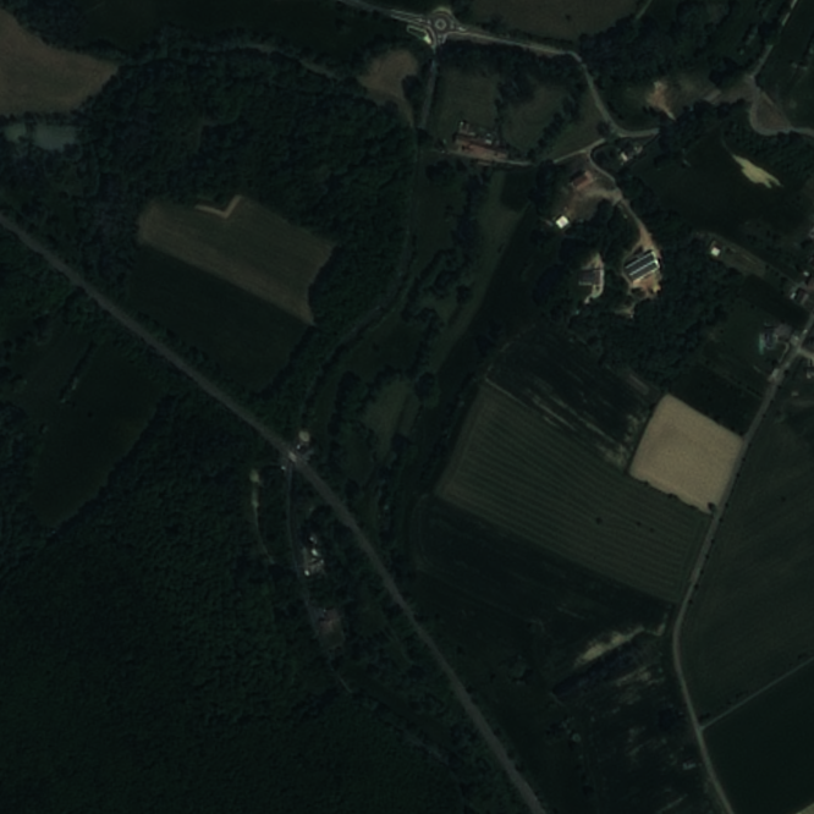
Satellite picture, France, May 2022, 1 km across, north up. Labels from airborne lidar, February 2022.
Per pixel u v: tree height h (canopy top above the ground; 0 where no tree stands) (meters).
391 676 27
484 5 0
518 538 0
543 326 0
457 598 0
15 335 0
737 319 0
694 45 20
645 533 0
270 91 20
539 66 21
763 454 0
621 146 17
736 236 0
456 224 0
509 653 0
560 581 0
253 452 23
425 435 0
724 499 0
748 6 0
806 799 0
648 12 0
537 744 0
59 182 15
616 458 0
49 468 0
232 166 20
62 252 21
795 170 6
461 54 25
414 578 11
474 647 0
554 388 0
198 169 21
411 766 18
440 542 0
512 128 0
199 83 24
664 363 20
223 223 0
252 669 29
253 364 0
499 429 0
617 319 12
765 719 0
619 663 18
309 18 0
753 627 0
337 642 0
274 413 18
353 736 20
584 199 0
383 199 23
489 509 0
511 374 0
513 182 0
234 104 22
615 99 0
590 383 0
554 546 0
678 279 11
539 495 0
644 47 28
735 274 13
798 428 0
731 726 0
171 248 0
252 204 0
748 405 0
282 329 0
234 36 18
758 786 0
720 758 0
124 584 18
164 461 15
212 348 0
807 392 0
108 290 9
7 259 18
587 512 0
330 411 0
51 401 0
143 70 10
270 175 18
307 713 15
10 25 0
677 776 0
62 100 0
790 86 0
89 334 17
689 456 0
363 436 13
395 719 8
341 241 14
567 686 17
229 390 15
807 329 0
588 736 0
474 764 10
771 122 0
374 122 26
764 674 0
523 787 0
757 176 0
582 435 0
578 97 25
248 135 22
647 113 15
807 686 0
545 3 0
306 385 18
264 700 24
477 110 0
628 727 0
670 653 0
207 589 27
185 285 0
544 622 0
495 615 0
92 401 0
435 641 9
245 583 25
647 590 0
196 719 17
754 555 0
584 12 0
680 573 0
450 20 0
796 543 0
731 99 0
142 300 0
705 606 0
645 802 0
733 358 0
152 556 20
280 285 0
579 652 0
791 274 0
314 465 10
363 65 20
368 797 20
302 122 27
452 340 0
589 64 23
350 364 0
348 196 26
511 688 0
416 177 0
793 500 0
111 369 0
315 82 11
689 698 0
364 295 18
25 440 22
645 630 0
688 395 0
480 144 0
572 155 0
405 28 0
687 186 0
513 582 0
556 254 0
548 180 18
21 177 32
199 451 16
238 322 0
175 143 19
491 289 0
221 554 26
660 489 0
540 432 0
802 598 0
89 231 15
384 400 0
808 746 0
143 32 0
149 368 17
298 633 7
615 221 8
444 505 0
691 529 0
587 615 0
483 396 0
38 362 0
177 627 22
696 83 0
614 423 0
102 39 0
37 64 0
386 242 15
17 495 17
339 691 20
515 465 0
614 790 0
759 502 0
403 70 0
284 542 12
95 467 0
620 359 15
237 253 0
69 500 0
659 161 9
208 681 23
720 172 0
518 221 0
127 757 15
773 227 0
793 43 0
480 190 31
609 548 0
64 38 31
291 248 0
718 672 0
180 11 0
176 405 19
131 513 22
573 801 0
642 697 0
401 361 0
